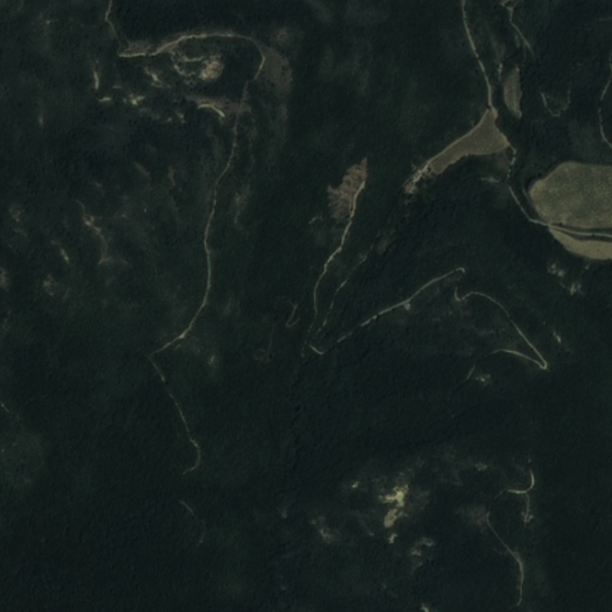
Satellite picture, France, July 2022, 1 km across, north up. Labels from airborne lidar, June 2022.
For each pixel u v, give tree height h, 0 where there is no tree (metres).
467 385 8
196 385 6
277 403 16
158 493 19
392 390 8
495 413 8
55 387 13
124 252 8
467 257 6
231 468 8
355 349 6
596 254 0
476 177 6
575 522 7
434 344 8
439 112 8
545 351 6
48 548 15
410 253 8
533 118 7
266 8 11
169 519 15
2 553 12
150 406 12
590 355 8
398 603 7
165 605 18
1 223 7
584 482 13
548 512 11
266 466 11
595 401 8
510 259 8
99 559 14
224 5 9
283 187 15
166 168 5
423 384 8
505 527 7
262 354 8
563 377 7
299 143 11
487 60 7
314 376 11
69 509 8
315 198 9
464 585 5
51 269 8
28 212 6
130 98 0
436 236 9
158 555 16
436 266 5
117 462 14
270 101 6
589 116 7
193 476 7
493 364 6
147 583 18
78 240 6
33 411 14
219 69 0
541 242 7
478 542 8
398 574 6
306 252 7
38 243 10
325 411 10
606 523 11
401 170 7
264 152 8
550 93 8
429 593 10
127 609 17
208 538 12
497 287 6
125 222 0
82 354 10
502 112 13
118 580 18
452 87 11
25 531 12
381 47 6
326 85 6
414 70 9
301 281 8
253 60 8
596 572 14
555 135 7
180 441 10
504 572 6
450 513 9
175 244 10
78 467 11
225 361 6
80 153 7
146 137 7
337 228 7
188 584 18
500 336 10
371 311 8
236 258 7
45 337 7
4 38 7
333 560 6
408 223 16
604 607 15
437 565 9
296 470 19
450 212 8
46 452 8
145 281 6
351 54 8
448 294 6
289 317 8
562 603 18
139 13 10
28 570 16
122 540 14
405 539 6
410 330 12
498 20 10
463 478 6
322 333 7
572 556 14
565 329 6
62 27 6
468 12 6
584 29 8
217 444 12
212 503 19
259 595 12
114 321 6
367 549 6
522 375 7
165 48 0
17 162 8
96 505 12
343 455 11
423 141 9
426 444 12
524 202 7
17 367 12
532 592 6
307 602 6
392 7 11
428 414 8
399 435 8
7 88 11
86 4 6
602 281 9
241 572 9
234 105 0
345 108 9
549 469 11
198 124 6
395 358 9
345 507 6
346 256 6
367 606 8
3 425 8
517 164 8
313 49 11
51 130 10
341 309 7
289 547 9
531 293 7
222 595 10
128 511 16
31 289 6
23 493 7
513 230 7
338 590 6
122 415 9
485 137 0
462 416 10
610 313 6
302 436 13
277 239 12
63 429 9
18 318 12
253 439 15
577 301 11
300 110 13
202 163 9
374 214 8
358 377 9
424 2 10
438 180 10
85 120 6
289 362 6
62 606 10
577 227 0
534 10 8
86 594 12
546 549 14
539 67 13
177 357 6
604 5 6
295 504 7
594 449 9
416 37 13
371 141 9
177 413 12
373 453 11
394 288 8
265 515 6
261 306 6
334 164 9
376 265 6
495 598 6
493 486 6
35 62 8
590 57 12
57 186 8
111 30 0
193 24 8
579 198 0
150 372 7
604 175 0
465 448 6
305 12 7
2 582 14
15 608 6
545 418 12
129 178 9
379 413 8
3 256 11
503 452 6
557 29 9
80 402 9
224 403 14
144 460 14
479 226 7
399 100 9
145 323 6
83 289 6
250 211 6
